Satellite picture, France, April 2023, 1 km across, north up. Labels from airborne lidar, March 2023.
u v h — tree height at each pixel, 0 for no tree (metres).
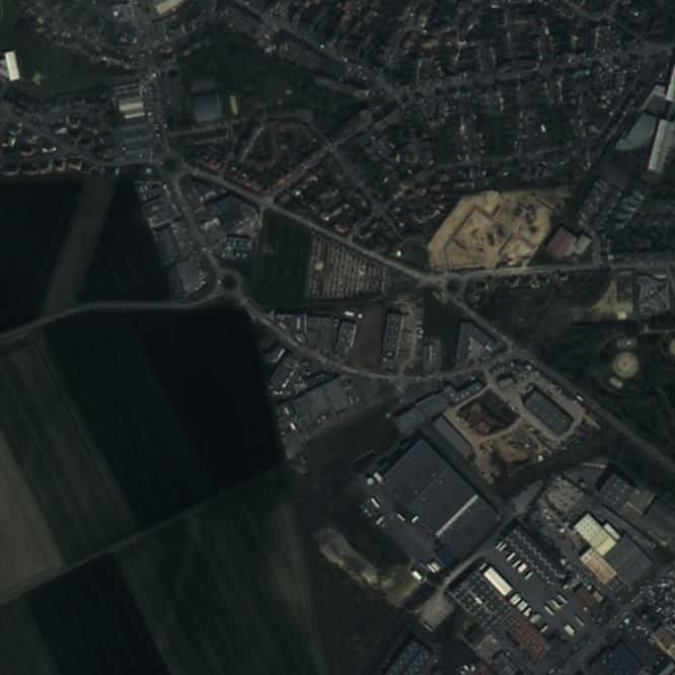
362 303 0
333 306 0
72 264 0
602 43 0
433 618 0
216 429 0
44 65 0
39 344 0
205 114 0
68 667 0
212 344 0
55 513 0
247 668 0
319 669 0
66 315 0
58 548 0
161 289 0
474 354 0
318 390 0
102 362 0
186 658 0
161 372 0
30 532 0
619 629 0
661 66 10
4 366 0
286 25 0
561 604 0
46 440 0
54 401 0
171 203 0
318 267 0
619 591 0
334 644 0
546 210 0
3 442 0
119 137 0
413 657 0
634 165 8
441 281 0
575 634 0
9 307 0
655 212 0
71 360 0
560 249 0
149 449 0
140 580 0
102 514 0
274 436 0
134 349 0
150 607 0
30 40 0
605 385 0
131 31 0
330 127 11
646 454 0
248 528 0
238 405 0
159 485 0
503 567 0
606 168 0
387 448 0
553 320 0
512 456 0
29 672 0
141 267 0
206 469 0
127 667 0
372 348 0
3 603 0
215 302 0
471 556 0
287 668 0
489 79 0
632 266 0
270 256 0
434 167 0
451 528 0
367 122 0
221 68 0
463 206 0
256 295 0
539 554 0
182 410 0
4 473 0
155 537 0
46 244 0
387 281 0
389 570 0
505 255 0
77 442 0
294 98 0
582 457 0
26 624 0
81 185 0
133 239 0
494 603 0
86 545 0
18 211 0
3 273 0
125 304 0
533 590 0
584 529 0
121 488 0
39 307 0
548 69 0
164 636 0
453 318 0
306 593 0
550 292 0
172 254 0
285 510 0
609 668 0
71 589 0
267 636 0
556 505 0
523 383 0
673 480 0
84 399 0
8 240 0
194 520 0
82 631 0
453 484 0
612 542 0
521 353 0
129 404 0
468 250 0
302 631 0
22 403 0
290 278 0
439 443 0
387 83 0
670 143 0
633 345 0
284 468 0
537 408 0
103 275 0
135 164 0
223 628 0
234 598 0
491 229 0
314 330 0
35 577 0
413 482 0
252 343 0
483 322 0
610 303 0
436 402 0
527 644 0
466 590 0
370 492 0
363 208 0
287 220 0
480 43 0
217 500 0
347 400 0
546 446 0
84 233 0
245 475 0
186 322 0
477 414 0
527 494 0
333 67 0
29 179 0
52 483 0
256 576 0
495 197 0
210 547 0
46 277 0
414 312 0
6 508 0
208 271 0
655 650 0
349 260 0
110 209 0
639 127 0
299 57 0
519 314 0
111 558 0
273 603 0
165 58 0
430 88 0
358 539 0
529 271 0
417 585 0
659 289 0
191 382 0
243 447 0
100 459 0
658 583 0
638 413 0
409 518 0
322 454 0
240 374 0
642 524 0
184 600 0
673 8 11
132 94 0
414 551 0
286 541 0
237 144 0
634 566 0
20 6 7
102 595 0
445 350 0
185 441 0
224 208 0
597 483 0
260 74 6
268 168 6
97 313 0
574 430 0
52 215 0
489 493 0
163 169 0
